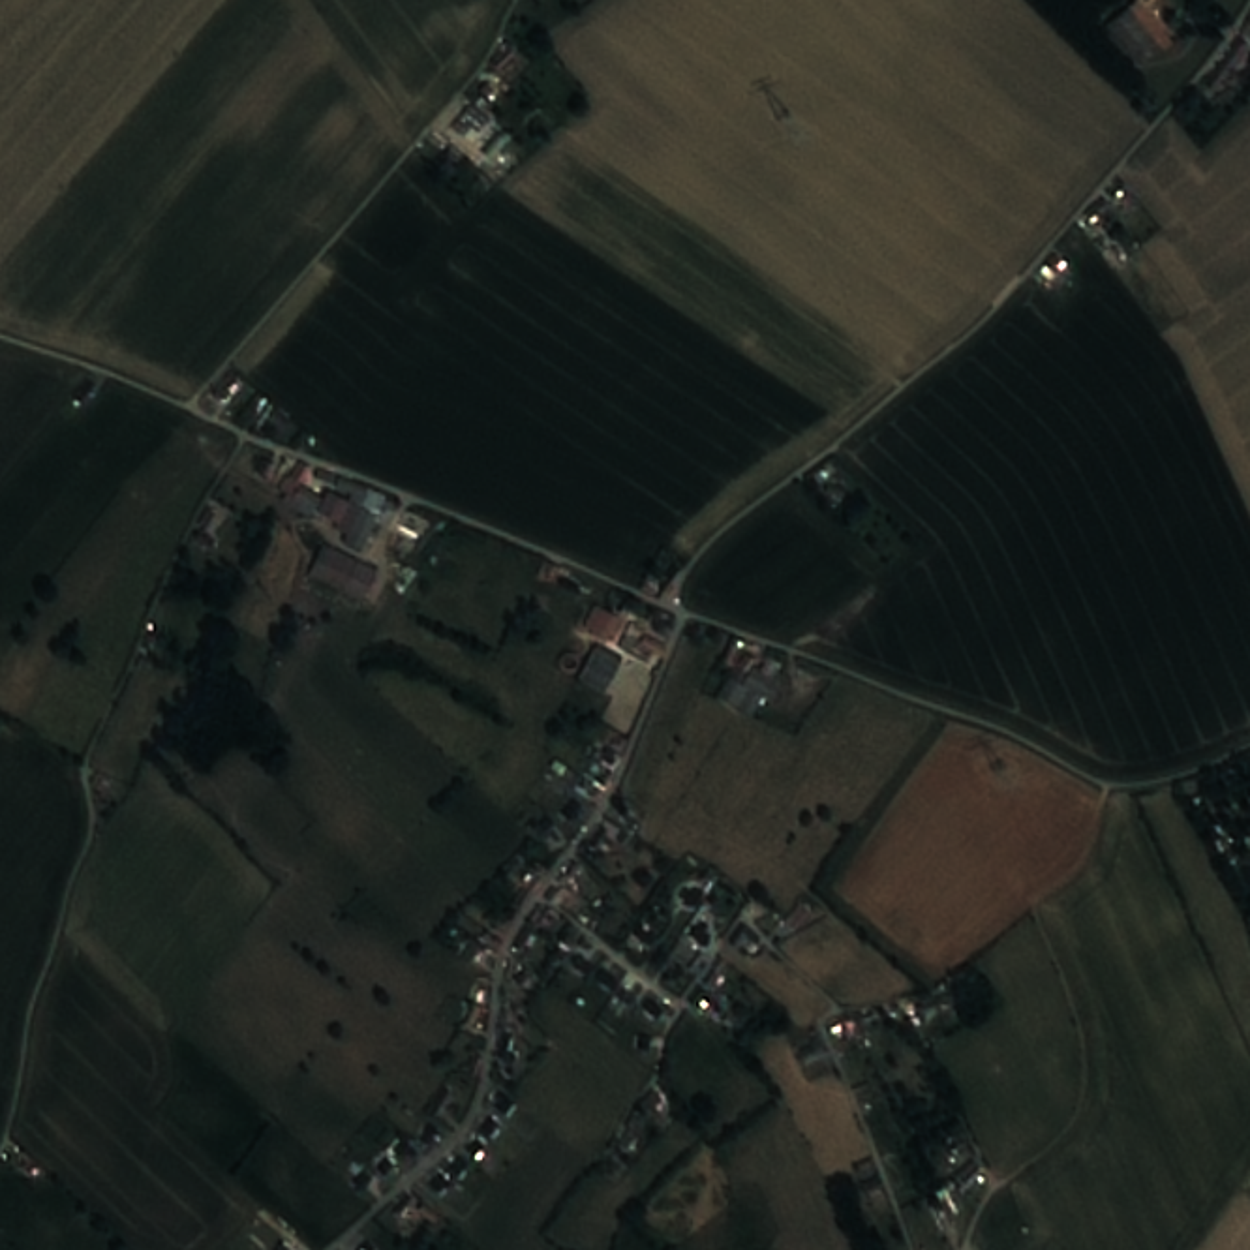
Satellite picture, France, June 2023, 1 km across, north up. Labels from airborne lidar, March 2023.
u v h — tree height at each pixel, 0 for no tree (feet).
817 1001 0
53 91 0
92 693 0
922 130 0
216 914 0
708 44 0
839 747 0
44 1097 0
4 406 0
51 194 0
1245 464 0
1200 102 31
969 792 0
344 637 0
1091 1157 0
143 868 0
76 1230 0
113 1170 0
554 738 37
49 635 0
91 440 0
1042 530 0
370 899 0
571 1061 0
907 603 0
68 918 0
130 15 0
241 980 0
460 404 0
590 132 0
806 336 0
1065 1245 0
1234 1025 0
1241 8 0
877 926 0
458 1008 0
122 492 0
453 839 0
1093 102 0
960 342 0
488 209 0
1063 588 0
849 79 0
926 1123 40
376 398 0
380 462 0
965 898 0
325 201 0
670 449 0
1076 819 0
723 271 0
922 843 0
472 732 0
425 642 0
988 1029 0
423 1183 0
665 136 0
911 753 0
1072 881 0
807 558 0
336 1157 0
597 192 0
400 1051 0
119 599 0
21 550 0
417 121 0
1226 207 0
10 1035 0
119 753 0
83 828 0
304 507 0
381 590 0
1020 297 0
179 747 66
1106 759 0
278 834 0
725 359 0
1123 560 0
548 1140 0
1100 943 0
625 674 0
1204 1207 0
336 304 0
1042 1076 0
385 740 0
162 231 0
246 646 0
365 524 0
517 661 0
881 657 0
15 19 0
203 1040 0
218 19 0
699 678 0
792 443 0
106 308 0
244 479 0
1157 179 0
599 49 0
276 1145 0
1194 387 0
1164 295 0
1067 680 0
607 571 0
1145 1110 0
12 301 0
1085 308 0
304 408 0
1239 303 0
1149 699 0
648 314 0
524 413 0
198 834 0
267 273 0
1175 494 0
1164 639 0
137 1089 0
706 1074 0
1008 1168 0
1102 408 0
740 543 0
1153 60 0
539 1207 0
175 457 0
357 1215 0
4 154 0
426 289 0
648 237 0
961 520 0
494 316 0
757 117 0
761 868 0
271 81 0
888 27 0
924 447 0
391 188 0
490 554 0
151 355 0
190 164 0
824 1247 0
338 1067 0
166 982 0
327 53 0
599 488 0
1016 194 0
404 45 0
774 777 0
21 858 0
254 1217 0
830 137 0
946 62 0
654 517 0
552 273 0
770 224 0
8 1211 0
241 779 0
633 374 0
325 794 0
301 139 0
